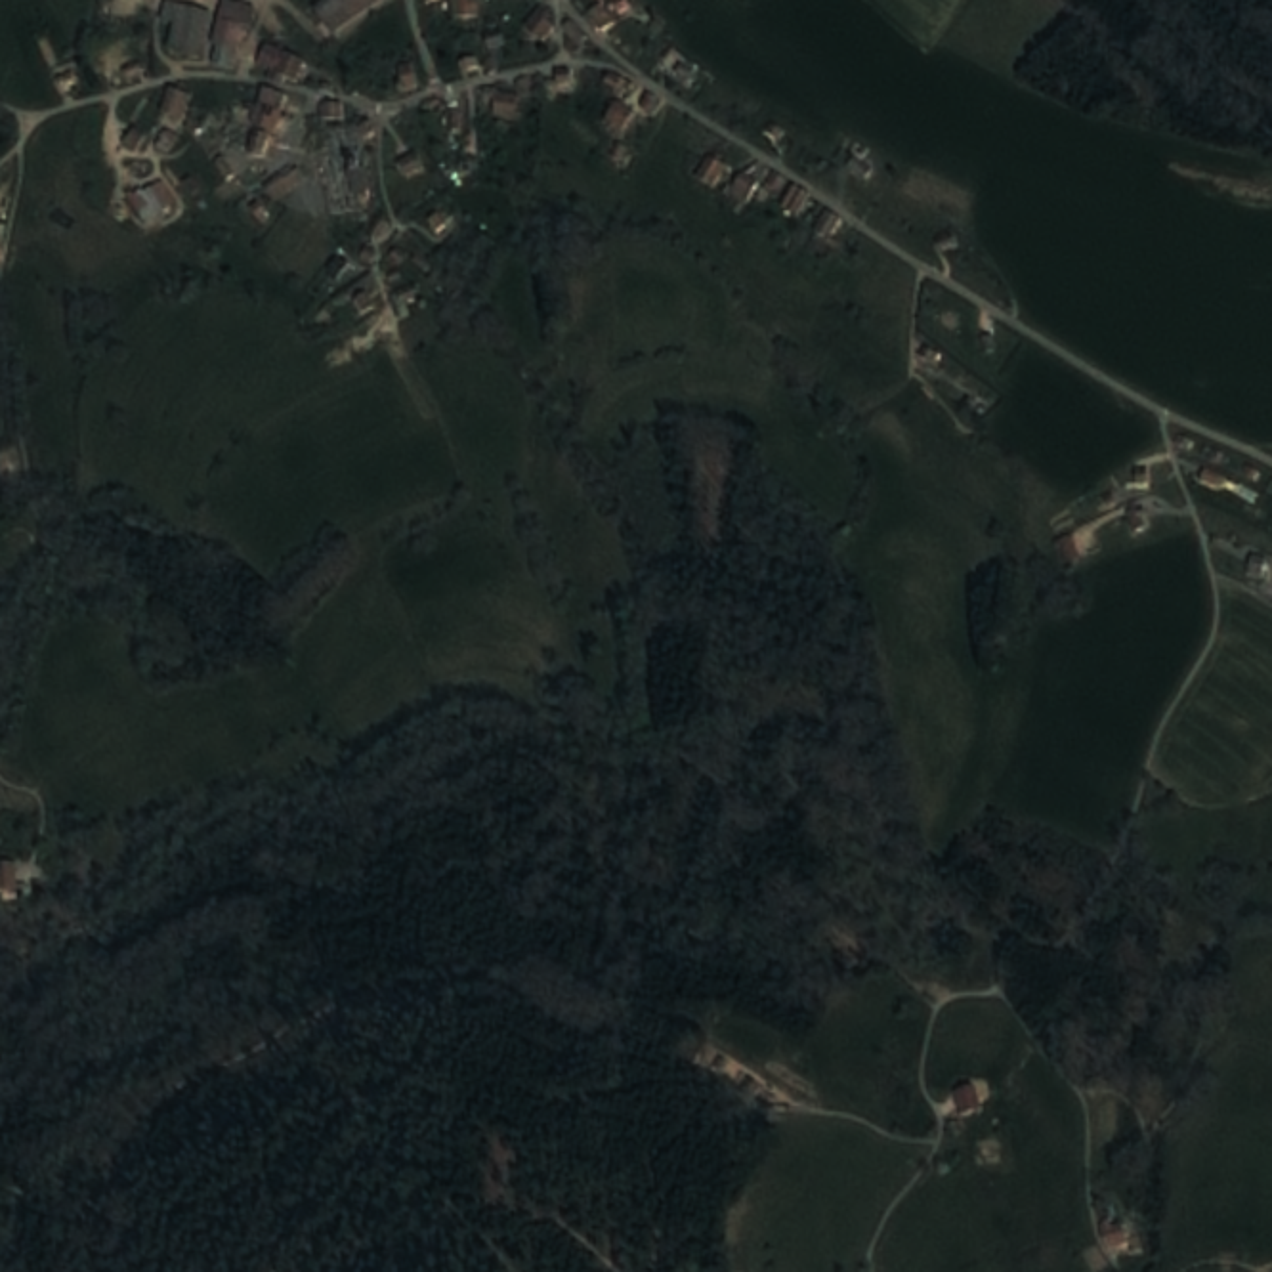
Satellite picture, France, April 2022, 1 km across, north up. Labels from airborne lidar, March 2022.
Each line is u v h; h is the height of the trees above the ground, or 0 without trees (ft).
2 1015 95
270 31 0
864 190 0
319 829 91
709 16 0
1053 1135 0
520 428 0
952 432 0
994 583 71
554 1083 70
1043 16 0
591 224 49
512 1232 37
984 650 76
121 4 0
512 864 74
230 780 0
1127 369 0
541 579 59
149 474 0
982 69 0
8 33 0
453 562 0
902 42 0
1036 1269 0
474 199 0
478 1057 88
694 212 0
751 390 0
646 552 28
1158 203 0
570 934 76
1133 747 0
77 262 0
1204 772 0
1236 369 0
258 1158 86
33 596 71
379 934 75
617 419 0
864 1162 0
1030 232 0
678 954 90
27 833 39
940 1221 0
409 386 0
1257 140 34
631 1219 25
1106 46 80
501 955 70
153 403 0
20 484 73
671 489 42
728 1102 56
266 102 0
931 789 0
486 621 0
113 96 0
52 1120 80
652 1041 100
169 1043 86
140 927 74
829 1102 0
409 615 0
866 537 0
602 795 24
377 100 0
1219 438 0
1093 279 0
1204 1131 0
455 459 0
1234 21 88
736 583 90
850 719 101
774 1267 23
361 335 0
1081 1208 0
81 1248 92
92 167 0
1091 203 0
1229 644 0
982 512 0
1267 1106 0
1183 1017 89
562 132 0
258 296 60
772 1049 0
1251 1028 0
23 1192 45
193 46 0
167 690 71
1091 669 0
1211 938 0
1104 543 0
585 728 96
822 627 92
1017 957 52
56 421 0
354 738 0
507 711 89
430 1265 33
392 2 0
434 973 86
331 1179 24
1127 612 0
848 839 55
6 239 0
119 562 73
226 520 0
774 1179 0
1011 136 0
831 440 0
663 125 0
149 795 0
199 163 0
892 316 0
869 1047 0
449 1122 92
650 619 80
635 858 106
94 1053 104
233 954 96
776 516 97
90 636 0
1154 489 0
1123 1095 86
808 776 101
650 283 0
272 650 68
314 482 0
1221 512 0
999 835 24
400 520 0
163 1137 54
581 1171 43
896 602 0
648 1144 44
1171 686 0
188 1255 78
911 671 0
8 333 57
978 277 0
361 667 0
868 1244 0
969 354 0
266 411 0
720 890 87
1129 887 43
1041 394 0
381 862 79
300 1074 93
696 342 0
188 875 83
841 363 0
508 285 0
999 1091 0
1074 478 0
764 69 0
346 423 0
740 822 105
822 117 0
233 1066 31
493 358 0
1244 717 0
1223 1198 0
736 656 83
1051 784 0
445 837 77
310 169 0
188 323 0
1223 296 0
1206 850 0
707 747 106
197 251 0
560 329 58
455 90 0
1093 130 0
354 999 0
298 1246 99
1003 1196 0
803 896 104
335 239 0
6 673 74
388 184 0
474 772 59
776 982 70
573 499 0
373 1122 19
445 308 36
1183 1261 0
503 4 0
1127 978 48
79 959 49
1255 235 0
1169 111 42
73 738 0
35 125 0
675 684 74
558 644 0
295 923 58
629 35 0
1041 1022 40
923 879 83
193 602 54
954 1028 0
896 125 0
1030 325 0
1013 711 0
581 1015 97
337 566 69
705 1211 47
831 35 0
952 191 0
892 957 68
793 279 0
